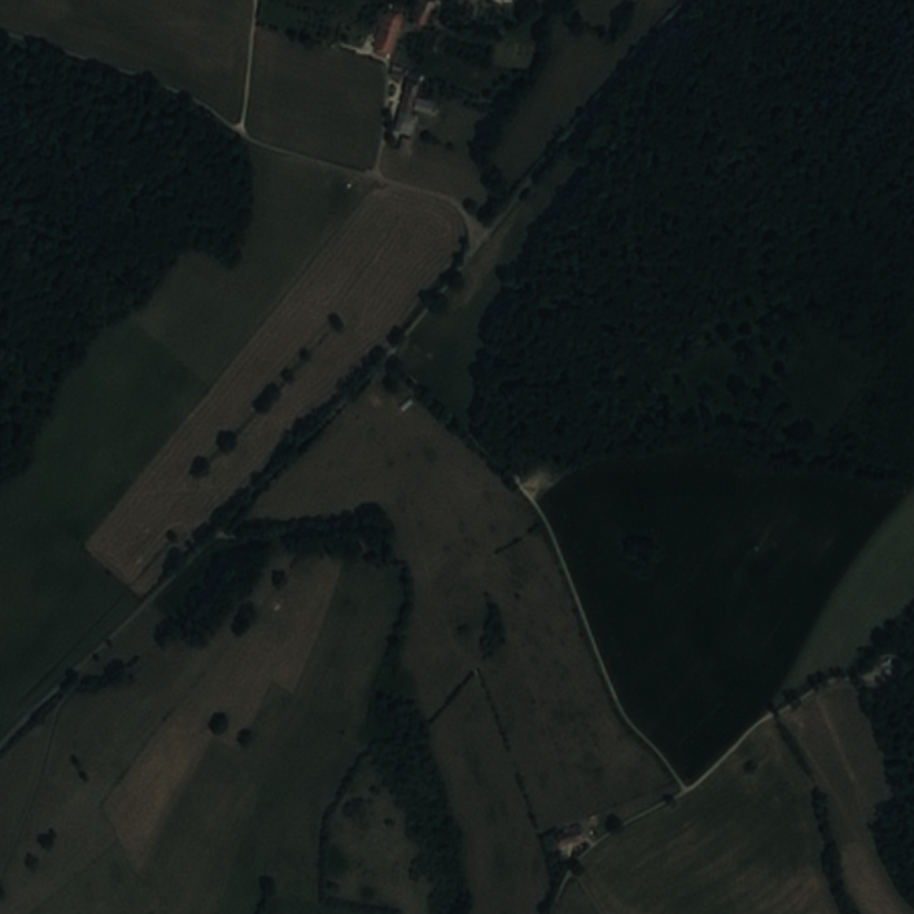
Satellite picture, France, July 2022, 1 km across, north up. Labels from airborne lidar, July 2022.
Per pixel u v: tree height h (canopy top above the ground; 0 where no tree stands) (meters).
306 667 0
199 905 0
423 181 0
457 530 0
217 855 0
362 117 0
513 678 0
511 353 21
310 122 0
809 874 0
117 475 0
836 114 23
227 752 0
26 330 20
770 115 24
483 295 0
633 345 24
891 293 26
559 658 0
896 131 22
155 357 0
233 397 0
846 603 0
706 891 0
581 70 0
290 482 0
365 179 0
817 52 19
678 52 19
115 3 0
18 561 0
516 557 0
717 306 23
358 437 0
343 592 0
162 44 0
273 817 0
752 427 26
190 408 0
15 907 0
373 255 0
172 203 21
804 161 22
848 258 24
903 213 22
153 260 25
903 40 36
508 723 0
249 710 0
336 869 0
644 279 22
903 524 0
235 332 0
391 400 0
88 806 0
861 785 0
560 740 0
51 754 0
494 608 11
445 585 0
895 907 0
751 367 23
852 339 23
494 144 18
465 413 0
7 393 25
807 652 0
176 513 0
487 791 0
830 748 0
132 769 0
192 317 0
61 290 26
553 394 24
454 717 0
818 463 18
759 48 22
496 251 0
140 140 23
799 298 26
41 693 0
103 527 0
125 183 20
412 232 0
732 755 0
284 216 0
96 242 19
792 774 0
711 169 22
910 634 12
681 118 22
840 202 24
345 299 0
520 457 19
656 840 0
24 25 0
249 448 0
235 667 0
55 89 26
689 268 22
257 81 0
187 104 19
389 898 0
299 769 0
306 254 0
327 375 0
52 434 0
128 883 0
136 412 0
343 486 0
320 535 22
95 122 11
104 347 0
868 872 0
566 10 21
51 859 0
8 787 0
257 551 25
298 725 0
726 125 25
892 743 10
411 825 6
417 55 8
